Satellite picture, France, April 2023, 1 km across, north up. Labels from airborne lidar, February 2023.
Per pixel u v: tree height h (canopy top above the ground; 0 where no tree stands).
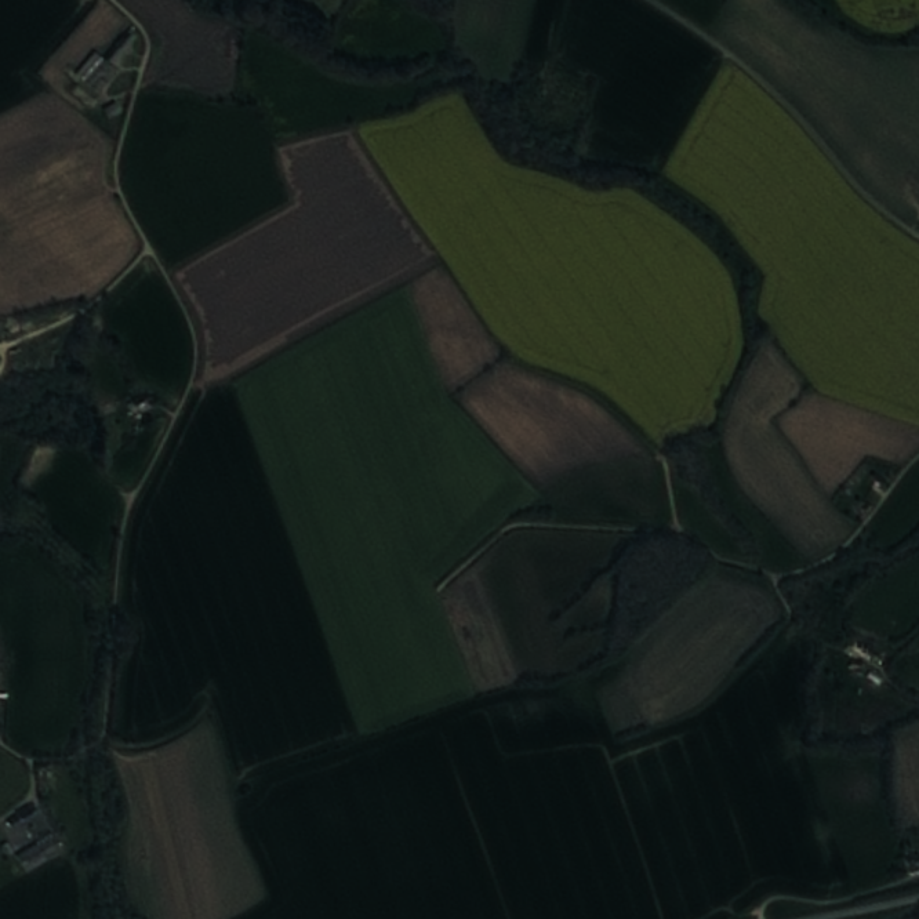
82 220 0
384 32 0
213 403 0
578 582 0
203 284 0
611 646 13
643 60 0
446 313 0
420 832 0
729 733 0
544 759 0
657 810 0
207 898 0
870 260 0
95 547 0
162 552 0
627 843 0
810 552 0
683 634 0
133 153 0
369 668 0
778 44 0
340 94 0
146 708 0
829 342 0
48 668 0
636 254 0
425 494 0
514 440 0
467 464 0
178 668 0
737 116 0
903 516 0
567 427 0
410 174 0
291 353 0
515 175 0
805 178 0
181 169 0
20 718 0
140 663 0
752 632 0
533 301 0
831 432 0
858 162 0
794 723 0
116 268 0
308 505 0
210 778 0
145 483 0
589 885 0
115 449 0
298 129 0
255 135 0
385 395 0
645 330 0
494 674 0
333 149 0
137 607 0
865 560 7
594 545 0
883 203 0
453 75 6
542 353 0
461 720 0
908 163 0
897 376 0
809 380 0
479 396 0
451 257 0
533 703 0
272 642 0
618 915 0
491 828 0
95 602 21
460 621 0
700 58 0
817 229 0
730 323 0
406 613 0
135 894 0
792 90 0
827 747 18
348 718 0
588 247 0
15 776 0
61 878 0
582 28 0
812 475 0
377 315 0
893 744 16
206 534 0
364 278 0
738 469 0
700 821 0
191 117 0
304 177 0
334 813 0
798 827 0
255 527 0
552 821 0
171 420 0
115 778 9
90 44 0
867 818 0
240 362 0
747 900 0
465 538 0
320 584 0
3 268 0
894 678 7
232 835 0
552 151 14
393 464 0
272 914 0
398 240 0
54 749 0
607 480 0
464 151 0
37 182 0
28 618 0
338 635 0
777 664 0
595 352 0
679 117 0
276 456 0
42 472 0
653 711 0
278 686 0
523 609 0
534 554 0
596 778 0
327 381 0
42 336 0
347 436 0
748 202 0
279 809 0
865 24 0
